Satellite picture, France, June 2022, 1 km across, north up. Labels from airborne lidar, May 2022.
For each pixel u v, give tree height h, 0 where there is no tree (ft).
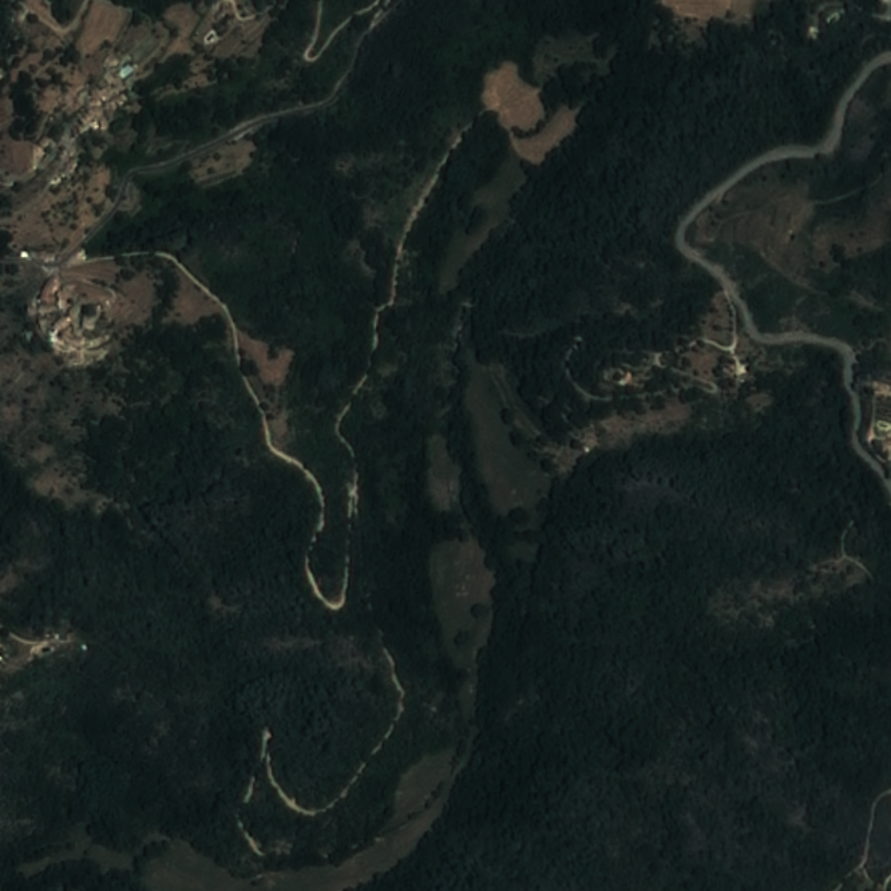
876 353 23
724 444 55
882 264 21
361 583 41
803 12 34
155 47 0
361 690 53
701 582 26
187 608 34
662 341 30
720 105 35
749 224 0
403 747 35
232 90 0
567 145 54
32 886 52
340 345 38
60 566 45
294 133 49
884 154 29
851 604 38
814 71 36
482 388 0
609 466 26
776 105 33
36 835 46
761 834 25
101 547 35
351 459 32
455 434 61
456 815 52
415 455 29
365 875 0
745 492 46
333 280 26
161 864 0
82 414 19
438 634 39
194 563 27
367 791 39
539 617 32
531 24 45
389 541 43
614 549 67
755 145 29
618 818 43
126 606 24
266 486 41
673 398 23
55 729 29
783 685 21
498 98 0
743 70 44
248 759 21
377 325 29
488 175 49
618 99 49
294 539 34
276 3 26
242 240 21
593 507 31
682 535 32
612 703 29
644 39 41
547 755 50
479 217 52
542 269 19
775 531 25
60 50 29
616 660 20
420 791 0
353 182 25
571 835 37
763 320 0
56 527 32
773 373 40
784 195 0
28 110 54
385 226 19
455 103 20
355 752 33
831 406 36
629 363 31
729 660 35
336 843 21
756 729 19
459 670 35
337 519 20
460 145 25
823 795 34
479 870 30
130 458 40
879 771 22
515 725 22
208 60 27
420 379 32
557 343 55
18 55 39
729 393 19
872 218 0
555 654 29
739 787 19
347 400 20
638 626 36
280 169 23
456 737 18
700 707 39
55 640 0
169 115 29
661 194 29
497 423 0
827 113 29
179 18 0
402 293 26
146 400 48
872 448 24
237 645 31
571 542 80
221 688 22
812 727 47
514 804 42
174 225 40
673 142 23
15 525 23
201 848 39
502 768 35
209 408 25
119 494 39
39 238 0
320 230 23
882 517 38
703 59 45
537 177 56
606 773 21
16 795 38
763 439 29
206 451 27
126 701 22
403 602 53
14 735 27
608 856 21
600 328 47
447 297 35
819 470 34
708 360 0
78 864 59
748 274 20
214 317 21
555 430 54
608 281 32
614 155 21
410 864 48
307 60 0
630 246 26
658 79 34
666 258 36
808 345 24
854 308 22
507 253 37
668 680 34
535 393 55
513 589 54
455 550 0
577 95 44
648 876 19
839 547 27
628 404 34
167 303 28
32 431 0
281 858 37
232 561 39
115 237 50
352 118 22
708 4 0
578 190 35
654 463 58
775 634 31
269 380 0
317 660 31
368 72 40
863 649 31
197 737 34
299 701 32
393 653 25
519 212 46
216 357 39
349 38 23
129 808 64
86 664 22
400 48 43
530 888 21
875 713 24
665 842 33
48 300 0
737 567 33
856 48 32
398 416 28
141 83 38
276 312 24
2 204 29
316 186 28
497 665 58
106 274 0
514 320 40
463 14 25
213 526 26
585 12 57
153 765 28
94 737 35
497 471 0
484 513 52
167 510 71
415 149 33
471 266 45
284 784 22
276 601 30
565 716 39
